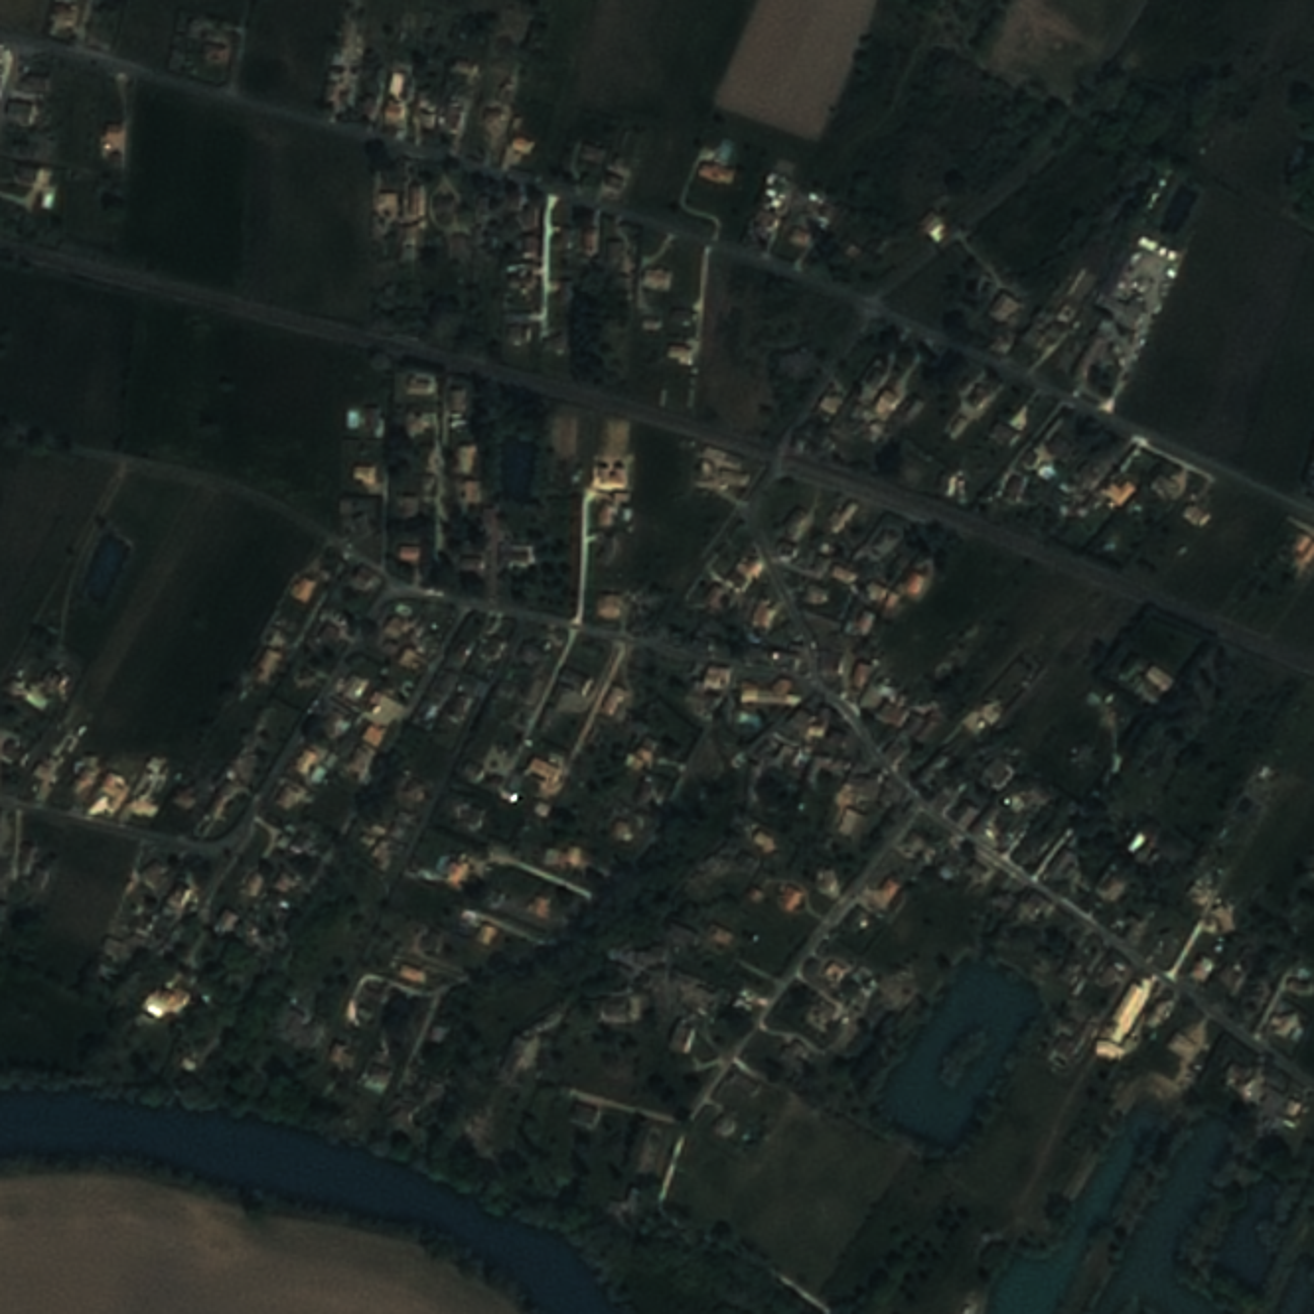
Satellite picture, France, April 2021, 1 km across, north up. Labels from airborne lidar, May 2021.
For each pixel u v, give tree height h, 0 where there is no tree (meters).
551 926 0
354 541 7
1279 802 0
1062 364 0
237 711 0
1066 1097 0
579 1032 0
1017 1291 0
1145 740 9
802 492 0
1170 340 0
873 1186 0
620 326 9
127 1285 0
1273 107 0
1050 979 0
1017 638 0
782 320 0
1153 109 20
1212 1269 8
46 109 10
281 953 8
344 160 0
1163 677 0
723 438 0
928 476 0
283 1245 0
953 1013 0
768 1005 0
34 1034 0
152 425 0
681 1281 8
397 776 13
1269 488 0
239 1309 0
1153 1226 0
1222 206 0
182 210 0
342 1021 0
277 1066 0
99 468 0
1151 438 0
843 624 0
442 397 7
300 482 0
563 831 12
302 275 0
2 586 0
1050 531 7
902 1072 0
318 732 10
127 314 0
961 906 0
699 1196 0
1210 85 15
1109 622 0
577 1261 0
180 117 0
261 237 0
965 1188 0
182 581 0
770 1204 0
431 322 10
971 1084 0
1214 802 0
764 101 0
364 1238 0
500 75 0
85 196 0
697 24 0
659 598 6
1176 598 0
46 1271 0
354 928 7
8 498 0
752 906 0
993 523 0
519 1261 0
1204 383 0
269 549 0
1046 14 0
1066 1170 0
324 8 0
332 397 0
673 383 0
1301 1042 0
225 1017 16
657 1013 8
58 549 0
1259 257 0
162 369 0
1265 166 0
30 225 16
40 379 0
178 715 0
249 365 0
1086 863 7
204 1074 7
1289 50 0
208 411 0
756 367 0
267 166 0
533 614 0
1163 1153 11
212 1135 0
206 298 0
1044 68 0
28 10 0
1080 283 0
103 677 0
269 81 0
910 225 7
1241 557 0
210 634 0
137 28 0
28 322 0
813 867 9
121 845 0
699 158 0
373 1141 8
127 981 9
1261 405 0
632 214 0
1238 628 0
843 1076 11
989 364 0
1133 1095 0
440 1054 15
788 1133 0
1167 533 5
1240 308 0
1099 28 0
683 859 21
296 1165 0
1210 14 0
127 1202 0
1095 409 0
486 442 20
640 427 0
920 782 8
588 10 0
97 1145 0
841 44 0
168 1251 0
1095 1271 0
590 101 0
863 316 0
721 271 0
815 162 0
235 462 0
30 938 18
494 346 6
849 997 7
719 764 0
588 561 0
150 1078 20
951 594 0
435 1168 15
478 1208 0
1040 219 0
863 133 0
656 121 0
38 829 0
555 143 0
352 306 0
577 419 0
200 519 0
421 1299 0
